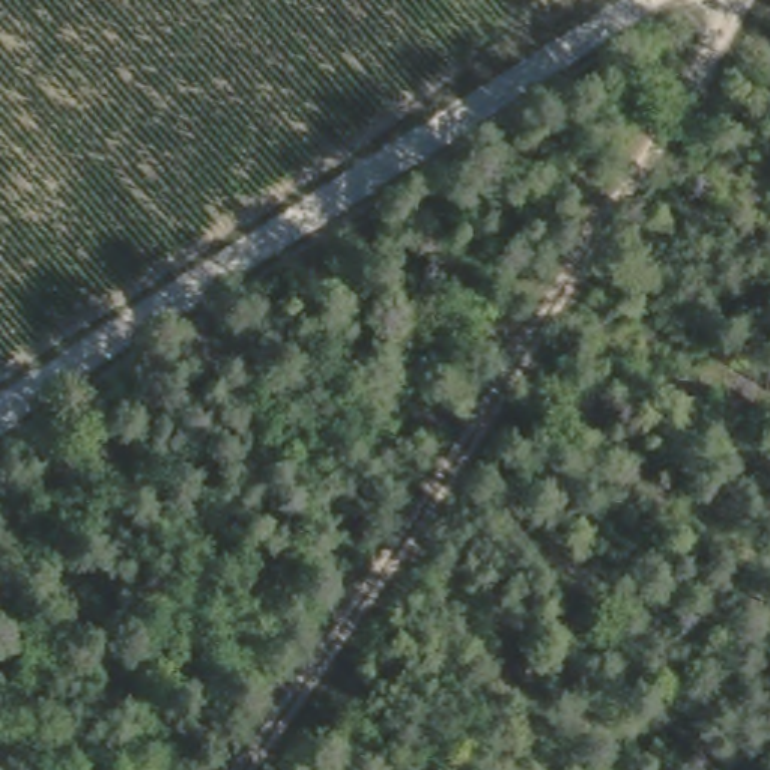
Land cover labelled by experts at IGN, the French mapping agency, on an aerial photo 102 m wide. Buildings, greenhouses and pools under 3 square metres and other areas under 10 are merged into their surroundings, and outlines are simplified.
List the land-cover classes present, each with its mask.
<instances>
[{"label":"coniferous trees","instance_id":"1","mask_svg":"<svg viewBox=\"0 0 770 770\"><path fill-rule=\"evenodd\" d=\"M704 33L689 36L683 30V21L674 18L665 6H647L641 12V21L629 24L617 45L602 39L596 48L574 57V63L550 72L541 87L526 90L520 102H511L502 111H496V120L481 126V135L460 132L451 144H439L421 162L391 174L370 196L352 202L346 211L325 220L322 229L301 232L280 253L259 259L244 271L211 277L208 283H202L193 310H186L183 316H177V310L162 313V328L138 346V352L132 355L135 364H129L123 352H114L111 358H102L96 367H90L87 382L69 373V400L60 403V412H27V418H18L9 430H0V659L18 653V623L33 620L39 602L51 611L54 620L75 617L90 629V644L75 647L72 659L84 674H93L99 665H105L108 683L93 701V707L84 710V719L72 737L90 758L93 770H117V743L159 728H165L171 746L168 770H439L427 764L430 746L415 752L397 746L394 761L385 764L379 755H367L364 746H349L346 737L334 734L343 722V713L352 707V698H370L367 677L379 671L382 680L394 683L403 665L415 674H433V683L451 674L463 677V698H472L478 686H487L511 701L505 707L508 722H502L490 734L484 758L475 770H770V0H752V6L740 15L734 42L719 57L698 54ZM559 271H568L574 277V295L562 313L538 316V295L547 283L559 280ZM457 283L463 289L478 292L490 307L499 310V319L493 322L490 337L484 343L472 340V322L466 316L445 313L442 298ZM334 328H340L352 340L349 355L361 361L352 373V388L346 391V397L370 403L373 421L382 424L385 433L373 448L355 442L346 454L334 457L340 475L355 481V493L337 496L331 502V511L340 520V529L349 532V538L334 550L340 574L334 581L319 584V568L313 562H304V556L295 550L298 538L304 535V514L289 511V502L283 499L277 466L286 454L277 445L265 442L268 424L250 418V409L244 403L253 394H259L262 385L271 394L301 385L307 358H319L328 349V331ZM508 343L526 346L532 352L529 373L514 370L511 382L502 379V370L508 367ZM550 376L574 385V391L581 394L578 409L590 430L584 433V442L568 448L565 454L562 445L553 442L547 448L541 469H535L532 481H523L520 469L505 463L502 451L511 448L514 430L523 439H529L538 427H544V382ZM442 457L451 460L454 478L448 484V496L433 499L430 493H424V481ZM250 529L265 541L259 544L262 571L256 578L253 596L262 602L268 614L277 617V632L271 635H238V647H247L253 653L259 674L244 686L241 677L223 668L220 659H214L205 647H193L189 662L183 668L162 674L159 665L147 659L150 644L132 632L129 620H153L156 596L180 584L183 553L202 559L205 553L217 550L229 559L244 547ZM397 532L415 538L418 547L397 562V571H391V578L385 581L376 605L367 608L370 617L355 623V632L334 656L331 668L322 674L316 689L289 683L292 674L307 671L313 665L322 626L337 608L343 584L349 587L367 581L373 559L385 553ZM614 596L638 602L647 614V626L644 632L623 635L617 644H596V623L602 605ZM54 686V677L48 668L36 665V686L24 689L21 671L15 677L0 674V713L39 707Z\"/></svg>","mask_w":770,"mask_h":770},{"label":"vineyard","instance_id":"2","mask_svg":"<svg viewBox=\"0 0 770 770\"><path fill-rule=\"evenodd\" d=\"M620 0H0V394L21 385L24 376L39 379V364H51L66 349L78 346L81 340L99 334L108 322H114L117 313L111 307V292L120 289L129 307L153 298L193 268L220 256L226 247H235L241 235L265 229L289 208L301 205L307 196H316L340 174L352 171L358 159L379 153L385 144H394L415 126H424L433 117V111L451 105L454 96L466 99L472 90L514 69V51L532 57L535 51H544L550 42L562 39L584 21H593L605 6Z\"/></svg>","mask_w":770,"mask_h":770},{"label":"deciduous trees","instance_id":"3","mask_svg":"<svg viewBox=\"0 0 770 770\"><path fill-rule=\"evenodd\" d=\"M445 313L466 316L472 322V340L484 343L490 337L493 322L499 319V310L490 307L478 292L463 289L457 283L442 298ZM352 340L340 328H334L328 331V349L319 358H307L301 385L271 394L262 385L259 394H253L244 403L250 409V418L268 424L265 442L277 445L286 454L277 466L283 499L289 502V511L304 514V535L298 538L295 550L304 556V562H313L319 568V584L334 581L340 574L334 550L349 538V532L340 529V520L331 511V502L337 496L355 493V481L340 475L334 457L346 454L355 442L373 448L385 433L382 424L373 421L370 403L346 397V391L352 388V373L361 361L349 355ZM544 427H538L529 439H523L514 430L511 448L502 451L505 463L520 469L523 481H532L535 469H541L547 448L553 442L562 445L565 454L568 448L584 442V433L590 430L578 409L581 394L574 391V385L550 376L544 382ZM259 544L265 541L250 529L244 547L229 559L217 550L205 553L202 559L183 553L180 584L156 596L153 620H129L132 632L150 644L147 659L159 665L162 674L183 668L189 662L193 647H205L214 659H220L223 668L241 677L244 686L259 674L253 653L247 647H238V635H271L277 632V617L268 614L262 602L253 596L256 578L262 571ZM647 626V614L638 602L614 596L602 605L596 623V644H617L623 635L644 632ZM90 644V629L75 617L54 620L51 611L39 602L33 620L18 623V653L0 659V674L15 677L21 671L24 689L36 686V665L48 668L54 677V686L39 707L0 713V770H93L90 758L72 737L84 719V710L93 707V701L108 683L105 665H99L93 674H84L72 659L75 647ZM370 698H352V707L343 713V722L334 734L346 737L349 746H364L367 755H379L385 764L394 761L397 746L415 752L430 746L427 764L439 770H475L484 758L490 734L502 722H508L505 707L511 701L487 686H478L472 698H463V677L451 674L433 683V674H415L403 665L394 683L382 680L379 671L367 677ZM117 770H168L171 746L165 728H159L117 743Z\"/></svg>","mask_w":770,"mask_h":770},{"label":"pervious surface","instance_id":"4","mask_svg":"<svg viewBox=\"0 0 770 770\"><path fill-rule=\"evenodd\" d=\"M647 6H665L674 18L683 21V30L689 36L704 33L698 54L719 57L734 42L740 15L752 6V0H620L605 6L593 21H584L562 39L550 42L544 51H535L532 57L514 51V69L472 90L466 99L454 96L451 105L433 111V117L424 126H415L394 144H385L379 153L358 159L352 171L340 174L316 196H307L301 205L289 208L265 229L241 235L235 247H226L220 256L193 268L153 298L129 307L120 289L111 292V307L117 313L114 322H108L99 334L81 340L78 346L66 349L51 364H39V379L24 376L21 385L0 394V430H9L18 418H27V412H60V403L69 400V373L87 382L90 367H96L102 358H111L114 352H123L129 364H135L132 355L138 352V346L162 328V313L177 310V316H183L186 310H193L202 283H208L211 277L244 271L259 259L280 253L301 232L322 229L325 220L346 211L352 202L370 196L391 174L421 162L439 144H451L460 132L481 135V126L496 120V111H502L511 102H520L526 90L541 87L550 72L574 63V57L596 48L602 39L617 45L629 24L641 21V12ZM574 295V277L568 271H559V280L547 283L538 295V316L562 313ZM508 367L502 370V379L511 382L514 370L529 373L532 352L526 346L508 343ZM454 478L451 460L442 457L424 481V493H430L433 499L448 496V484ZM418 547L415 538L397 532L385 553L373 559L367 581L349 587L343 584L337 608L322 626L313 665L307 671L292 674L289 683L316 689L322 674L331 668L334 656L355 632V623L370 617L367 608L376 605L385 581L391 578V571H397V562Z\"/></svg>","mask_w":770,"mask_h":770}]
</instances>
